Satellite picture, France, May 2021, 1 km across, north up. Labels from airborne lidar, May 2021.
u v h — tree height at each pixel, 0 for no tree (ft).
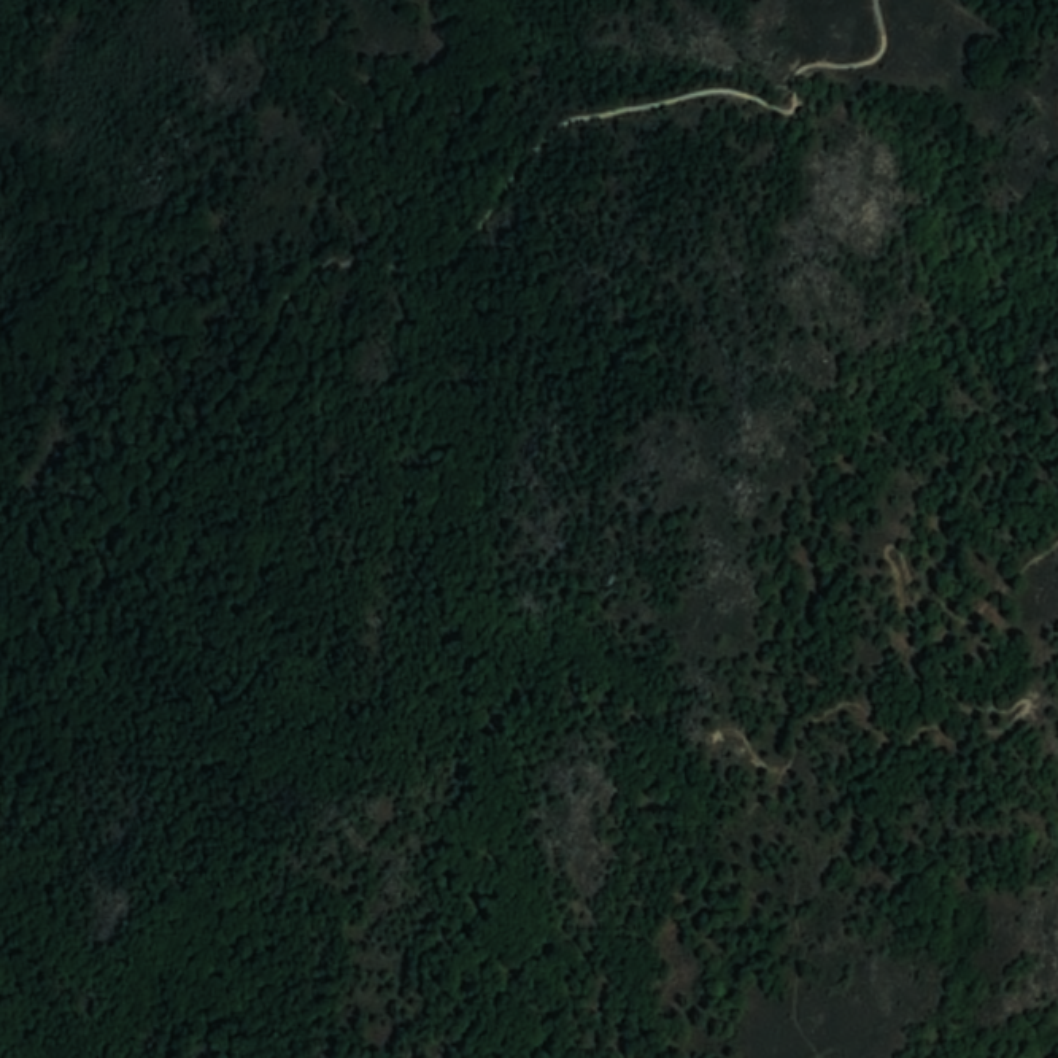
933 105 52
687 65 26
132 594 90
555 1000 80
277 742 87
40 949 88
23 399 76
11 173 58
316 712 83
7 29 67
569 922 29
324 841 29
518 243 62
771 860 51
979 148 64
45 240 69
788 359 0
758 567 40
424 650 74
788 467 0
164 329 96
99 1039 53
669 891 58
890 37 0
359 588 55
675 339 37
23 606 81
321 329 77
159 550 99
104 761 57
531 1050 86
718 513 0
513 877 84
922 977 24
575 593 56
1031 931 0
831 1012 0
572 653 66
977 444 47
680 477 0
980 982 35
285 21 45
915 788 58
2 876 107
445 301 91
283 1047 80
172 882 68
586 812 0
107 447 114
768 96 45
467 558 89
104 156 22
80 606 69
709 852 21
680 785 81
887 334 0
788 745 80
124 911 0
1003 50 81
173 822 60
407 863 21
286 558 76
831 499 83
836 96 62
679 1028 86
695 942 73
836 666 61
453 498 83
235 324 66
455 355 83
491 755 96
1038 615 0
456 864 106
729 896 77
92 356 88
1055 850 20
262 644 88
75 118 26
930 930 89
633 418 32
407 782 43
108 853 31
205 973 80
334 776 73
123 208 27
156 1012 38
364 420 45
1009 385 54
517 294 84
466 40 80
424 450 94
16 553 97
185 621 92
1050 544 44
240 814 47
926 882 88
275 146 27
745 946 73
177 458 86
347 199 52
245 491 62
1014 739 60
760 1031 0
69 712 95
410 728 66
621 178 26
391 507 85
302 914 72
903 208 25
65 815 69
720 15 33
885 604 41
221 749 113
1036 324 27
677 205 41
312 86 75
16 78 73
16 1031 92
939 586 90
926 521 58
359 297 43
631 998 71
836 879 68
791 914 44
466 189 94
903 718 84
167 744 84
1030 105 17
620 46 23
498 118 77
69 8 69
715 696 27
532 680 64
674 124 31
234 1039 84
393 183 73
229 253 30
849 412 52
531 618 33
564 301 77
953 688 69
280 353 60
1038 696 0
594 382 40
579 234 31
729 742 0
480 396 86
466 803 102
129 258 81
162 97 19
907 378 70
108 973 64
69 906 65
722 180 31
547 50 62
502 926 102
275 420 54
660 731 77
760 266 20
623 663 86
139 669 72
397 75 82
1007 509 69
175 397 30
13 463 51
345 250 57
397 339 66
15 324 85
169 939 80
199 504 60
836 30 0
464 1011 91
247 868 73
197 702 78
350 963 39
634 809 65
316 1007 82
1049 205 32
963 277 77
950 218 21
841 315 0
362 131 66
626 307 18
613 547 32
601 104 66
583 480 40
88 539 89
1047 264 53
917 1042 42
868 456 83
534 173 45
